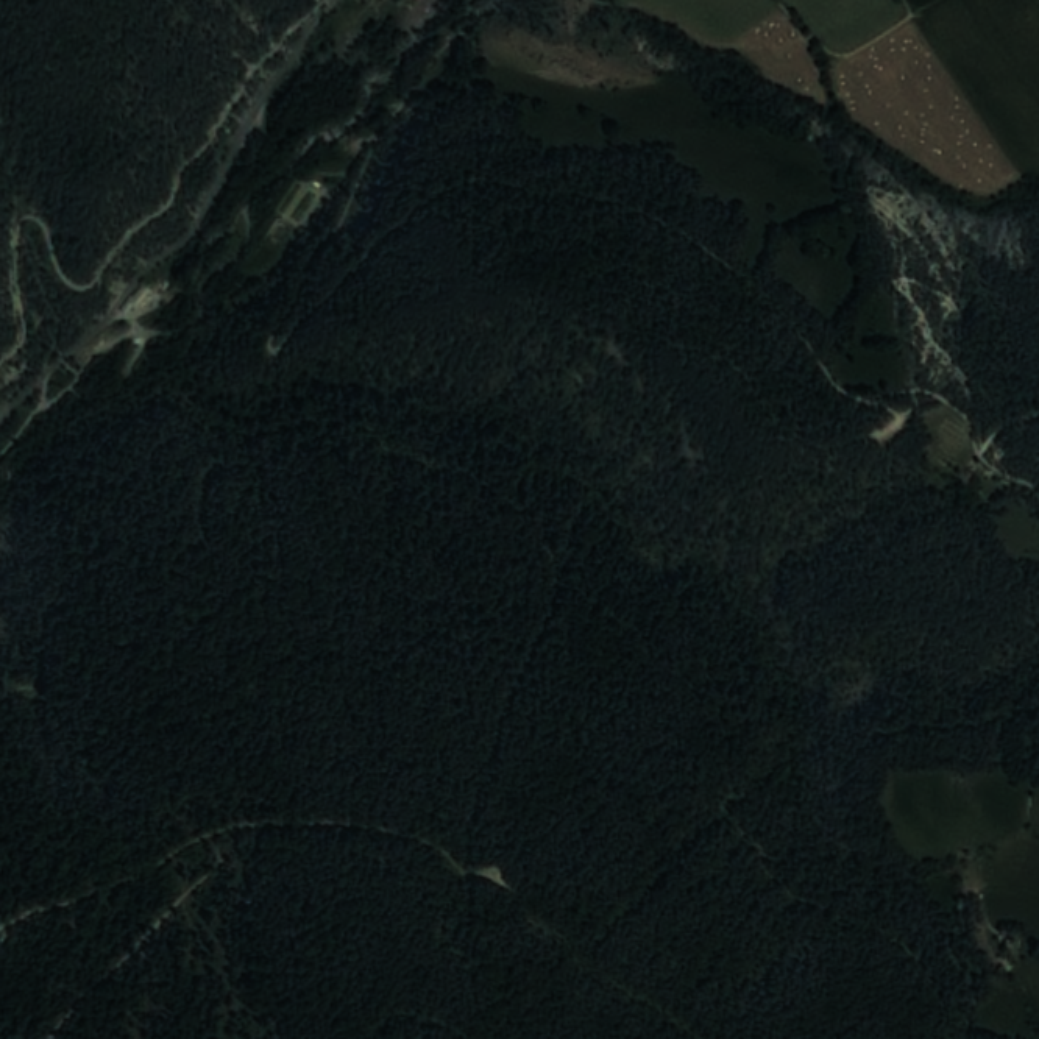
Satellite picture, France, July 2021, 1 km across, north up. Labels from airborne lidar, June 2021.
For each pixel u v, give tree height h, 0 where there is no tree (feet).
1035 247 26
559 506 91
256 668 58
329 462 74
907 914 57
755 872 59
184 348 39
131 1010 36
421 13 0
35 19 51
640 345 41
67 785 36
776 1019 48
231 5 39
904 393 29
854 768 41
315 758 66
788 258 0
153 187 46
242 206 22
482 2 36
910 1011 52
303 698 59
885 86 0
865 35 0
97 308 31
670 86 0
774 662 24
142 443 52
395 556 103
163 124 33
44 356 44
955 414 0
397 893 74
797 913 55
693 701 73
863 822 39
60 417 38
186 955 72
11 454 20
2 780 23
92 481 54
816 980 57
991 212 31
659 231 30
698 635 66
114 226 45
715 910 45
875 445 33
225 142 36
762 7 0
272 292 24
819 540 22
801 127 72
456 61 56
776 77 0
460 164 59
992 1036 61
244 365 46
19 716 50
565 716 79
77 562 70
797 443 36
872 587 47
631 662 72
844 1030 50
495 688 64
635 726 70
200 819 42
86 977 37
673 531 39
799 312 57
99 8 47
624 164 53
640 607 68
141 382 24
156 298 0
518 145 52
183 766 62
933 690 60
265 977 51
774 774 77
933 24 0
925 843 0
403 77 49
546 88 0
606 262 46
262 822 39
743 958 57
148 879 39
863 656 43
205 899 18
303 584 72
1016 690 64
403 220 46
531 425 61
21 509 35
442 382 46
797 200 0
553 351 27
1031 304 28
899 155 22
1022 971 0
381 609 66
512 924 59
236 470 59
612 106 0
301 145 32
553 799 54
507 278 54
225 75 35
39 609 56
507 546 73
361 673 67
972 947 46
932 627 41
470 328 47
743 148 0
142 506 55
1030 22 0
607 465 40
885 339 41
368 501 63
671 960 59
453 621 59
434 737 69
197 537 55
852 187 49
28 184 36
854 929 56
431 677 58
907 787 0
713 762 71
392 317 60
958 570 24
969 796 0
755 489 35
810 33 43
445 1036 58
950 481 21
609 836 67
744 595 37
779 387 40
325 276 52
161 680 64
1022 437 33
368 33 44
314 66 36
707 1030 54
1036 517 20
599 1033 56
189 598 52
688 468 38
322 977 71
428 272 44
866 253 58
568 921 39
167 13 50
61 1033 29
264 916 64
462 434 66
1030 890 0
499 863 49
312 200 0
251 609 66
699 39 0
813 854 64
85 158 44
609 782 52
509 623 82
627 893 70
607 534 46
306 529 69
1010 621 32
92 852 51
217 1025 46
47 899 43
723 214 60
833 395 38
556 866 60
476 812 32
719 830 79
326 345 46
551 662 80
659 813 54
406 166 63
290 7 47
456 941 49
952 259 20
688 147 0
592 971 31
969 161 0
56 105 42
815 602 44
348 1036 73
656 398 33
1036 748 25
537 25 31
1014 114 0
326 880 65
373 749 63
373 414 67
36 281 26
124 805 54
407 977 58
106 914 37
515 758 64
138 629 55
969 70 0
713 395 42
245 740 66
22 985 45
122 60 40
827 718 56
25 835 43
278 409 67
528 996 58
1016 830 0
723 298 38
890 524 38
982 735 49
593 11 23
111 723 58
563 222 74
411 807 67
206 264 41
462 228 35
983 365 52
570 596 70
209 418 27
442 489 73
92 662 66
